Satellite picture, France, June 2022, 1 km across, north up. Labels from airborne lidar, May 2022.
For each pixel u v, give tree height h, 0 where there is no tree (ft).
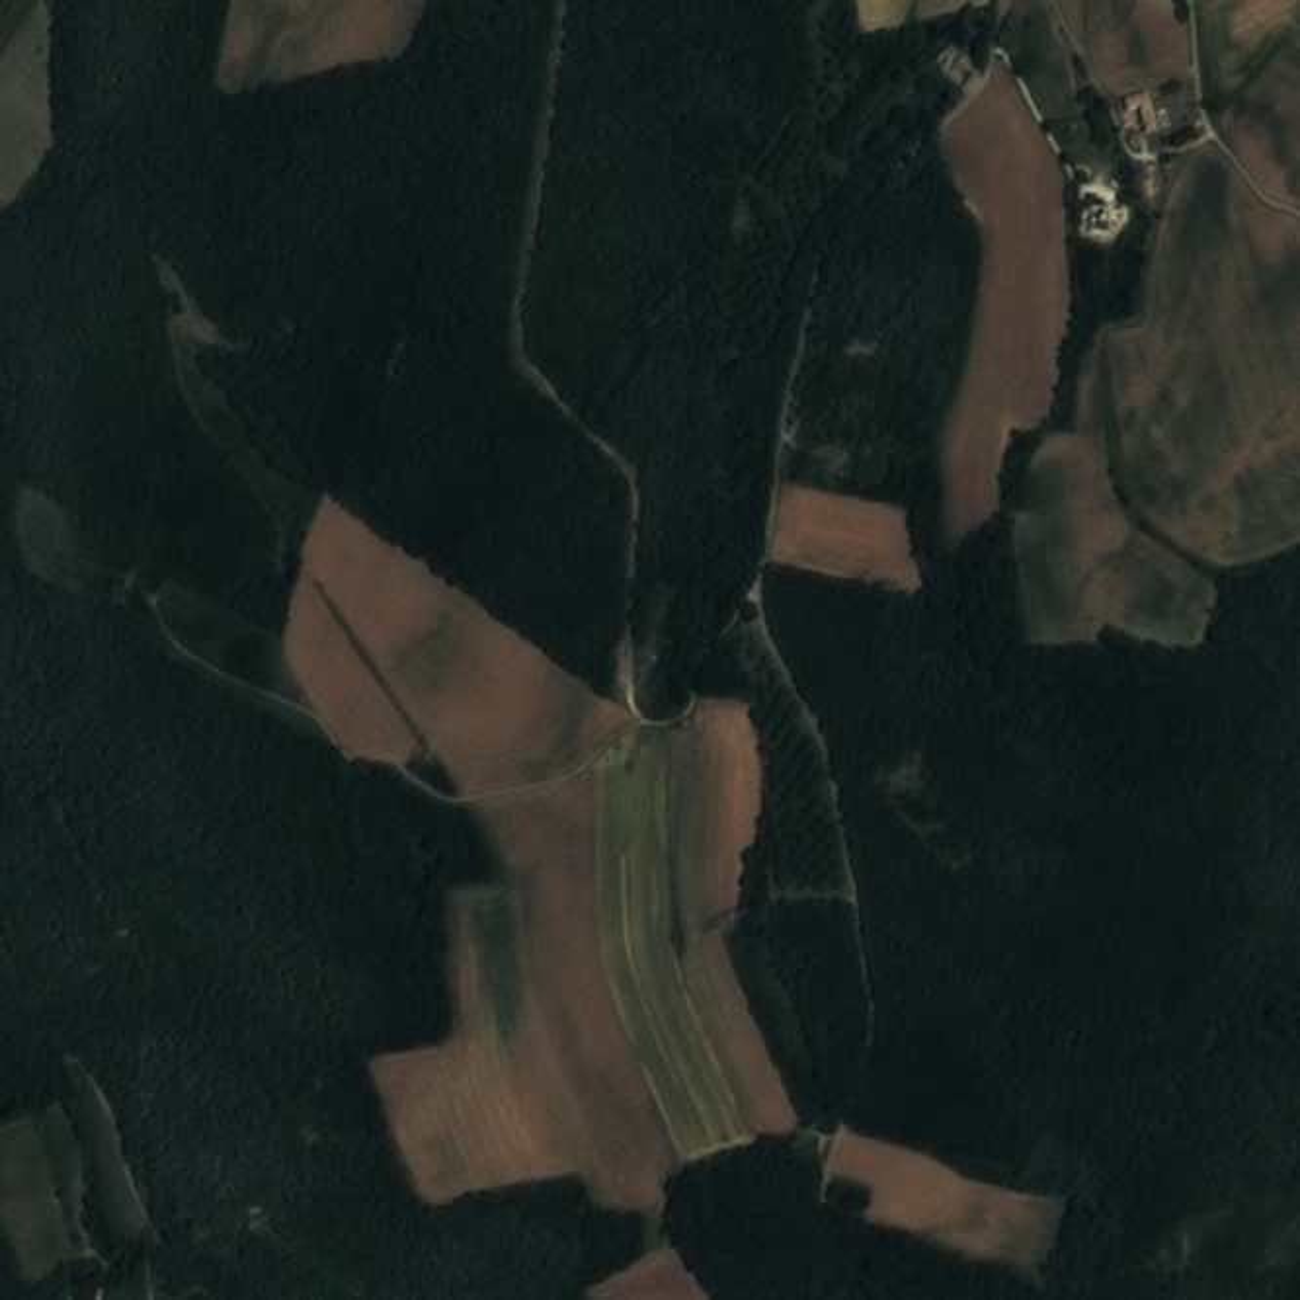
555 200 28
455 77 32
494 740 0
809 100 38
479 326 53
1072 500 0
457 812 18
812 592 30
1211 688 62
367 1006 45
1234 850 28
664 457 27
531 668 0
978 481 0
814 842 29
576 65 36
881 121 21
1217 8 0
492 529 47
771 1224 56
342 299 57
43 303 31
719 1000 0
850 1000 25
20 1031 29
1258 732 61
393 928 42
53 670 31
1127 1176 40
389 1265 26
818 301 34
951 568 53
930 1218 0
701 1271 58
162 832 31
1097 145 40
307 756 25
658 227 37
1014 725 39
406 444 36
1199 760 43
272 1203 28
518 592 32
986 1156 31
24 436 30
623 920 0
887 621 34
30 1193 0
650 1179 0
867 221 44
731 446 47
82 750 42
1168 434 0
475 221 58
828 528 0
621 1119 0
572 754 0
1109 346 0
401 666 0
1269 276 0
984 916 44
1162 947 37
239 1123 30
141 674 33
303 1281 26
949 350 51
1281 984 22
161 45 43
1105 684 51
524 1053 0
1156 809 41
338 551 0
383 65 28
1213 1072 36
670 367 33
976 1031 58
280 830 53
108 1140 0
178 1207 44
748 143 55
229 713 37
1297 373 0
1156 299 0
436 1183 0
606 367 50
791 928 23
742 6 48
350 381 38
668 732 0
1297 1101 33
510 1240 30
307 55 0
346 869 20
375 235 58
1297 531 0
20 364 26
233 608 29
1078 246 31
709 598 58
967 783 44
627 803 0
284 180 55
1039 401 0
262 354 43
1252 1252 21
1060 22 0
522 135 31
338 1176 28
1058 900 33
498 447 49
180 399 37
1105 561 0
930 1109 34
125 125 33
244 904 26
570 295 28
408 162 51
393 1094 0
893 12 0
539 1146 0
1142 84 0
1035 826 37
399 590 0
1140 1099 40
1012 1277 54
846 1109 42
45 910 24
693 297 61
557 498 29
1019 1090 46
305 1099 37
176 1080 28
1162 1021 35
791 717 33
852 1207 38
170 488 37
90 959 22
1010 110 0
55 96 26
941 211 53
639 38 54
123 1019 26
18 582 31
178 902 31
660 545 30
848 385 20
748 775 0
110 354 29
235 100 34
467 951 0
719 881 0
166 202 54
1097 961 47
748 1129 0
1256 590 46
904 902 30
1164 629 0
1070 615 0
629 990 0
